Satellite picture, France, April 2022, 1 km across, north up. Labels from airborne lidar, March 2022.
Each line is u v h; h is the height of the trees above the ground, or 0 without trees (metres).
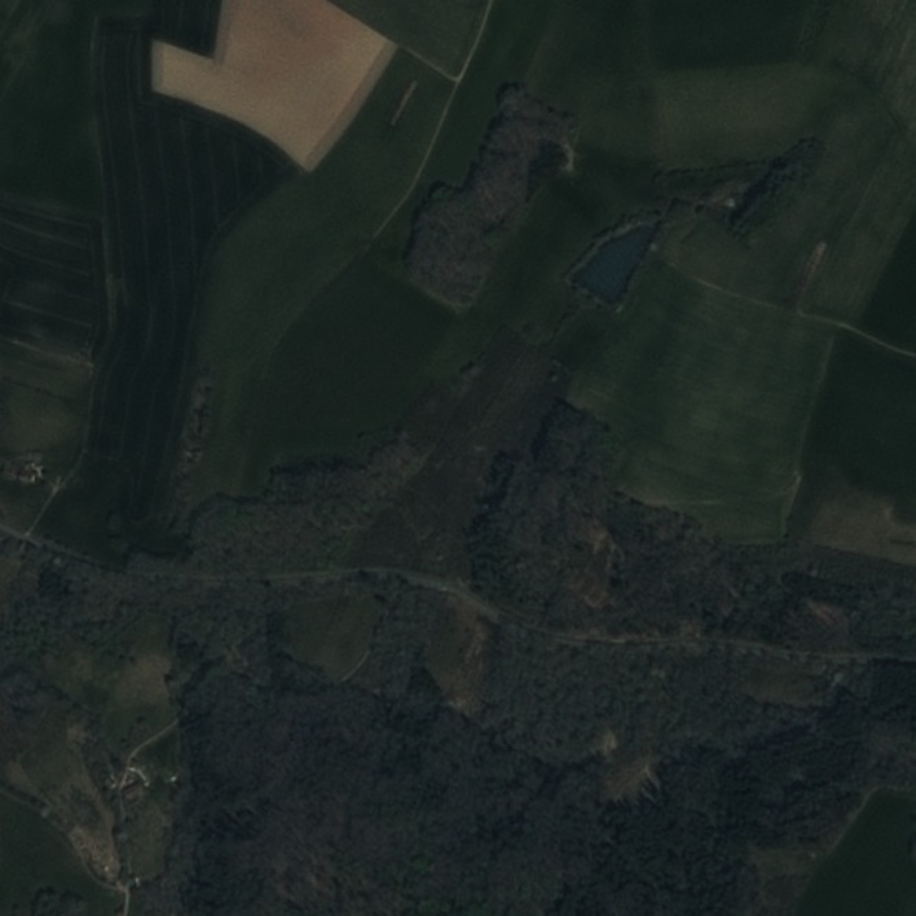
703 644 0
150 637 0
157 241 0
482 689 0
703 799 22
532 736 7
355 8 0
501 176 30
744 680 15
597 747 17
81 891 0
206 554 24
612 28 0
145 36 0
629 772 0
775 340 0
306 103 0
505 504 20
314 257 0
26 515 0
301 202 0
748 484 0
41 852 0
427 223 24
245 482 0
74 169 0
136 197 0
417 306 0
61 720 0
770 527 0
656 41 0
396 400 0
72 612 17
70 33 0
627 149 0
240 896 22
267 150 0
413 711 18
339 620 0
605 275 0
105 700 0
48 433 0
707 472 0
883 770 17
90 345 0
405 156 0
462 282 27
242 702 28
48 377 0
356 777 29
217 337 0
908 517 0
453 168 0
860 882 0
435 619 18
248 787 24
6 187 0
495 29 0
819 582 10
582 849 32
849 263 0
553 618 19
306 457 0
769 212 21
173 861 17
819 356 0
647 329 0
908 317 0
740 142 0
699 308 0
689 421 0
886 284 0
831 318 0
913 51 0
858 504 0
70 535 0
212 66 0
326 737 35
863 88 0
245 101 0
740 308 0
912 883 0
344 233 0
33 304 0
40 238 0
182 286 0
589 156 0
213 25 0
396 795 28
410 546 0
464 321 0
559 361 6
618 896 30
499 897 30
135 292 0
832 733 30
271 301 0
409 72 0
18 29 0
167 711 0
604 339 0
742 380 0
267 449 0
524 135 34
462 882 30
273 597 25
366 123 0
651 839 30
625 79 0
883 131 0
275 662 16
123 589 25
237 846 25
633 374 0
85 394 0
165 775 0
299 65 0
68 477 0
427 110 0
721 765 22
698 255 0
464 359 0
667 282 0
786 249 0
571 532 26
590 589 0
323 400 0
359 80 0
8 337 0
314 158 0
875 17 0
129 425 0
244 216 0
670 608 27
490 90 0
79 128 0
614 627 29
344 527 26
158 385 0
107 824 0
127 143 0
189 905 22
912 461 0
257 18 0
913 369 0
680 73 0
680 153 0
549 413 0
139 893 11
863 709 32
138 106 0
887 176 0
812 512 0
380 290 0
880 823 0
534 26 0
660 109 0
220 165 0
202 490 0
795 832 21
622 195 0
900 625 29
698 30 0
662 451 0
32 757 0
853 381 0
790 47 0
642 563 19
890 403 0
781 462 0
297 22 0
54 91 0
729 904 25
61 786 0
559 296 0
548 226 0
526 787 22
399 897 28
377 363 0
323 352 0
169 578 24
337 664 0
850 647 27
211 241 0
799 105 0
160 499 0
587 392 0
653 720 20
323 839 33
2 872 0
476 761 26
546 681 18
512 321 0
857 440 0
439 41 0
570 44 0
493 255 23
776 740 18
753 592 16
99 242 0
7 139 0
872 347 0
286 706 27
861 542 0
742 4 0
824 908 0
